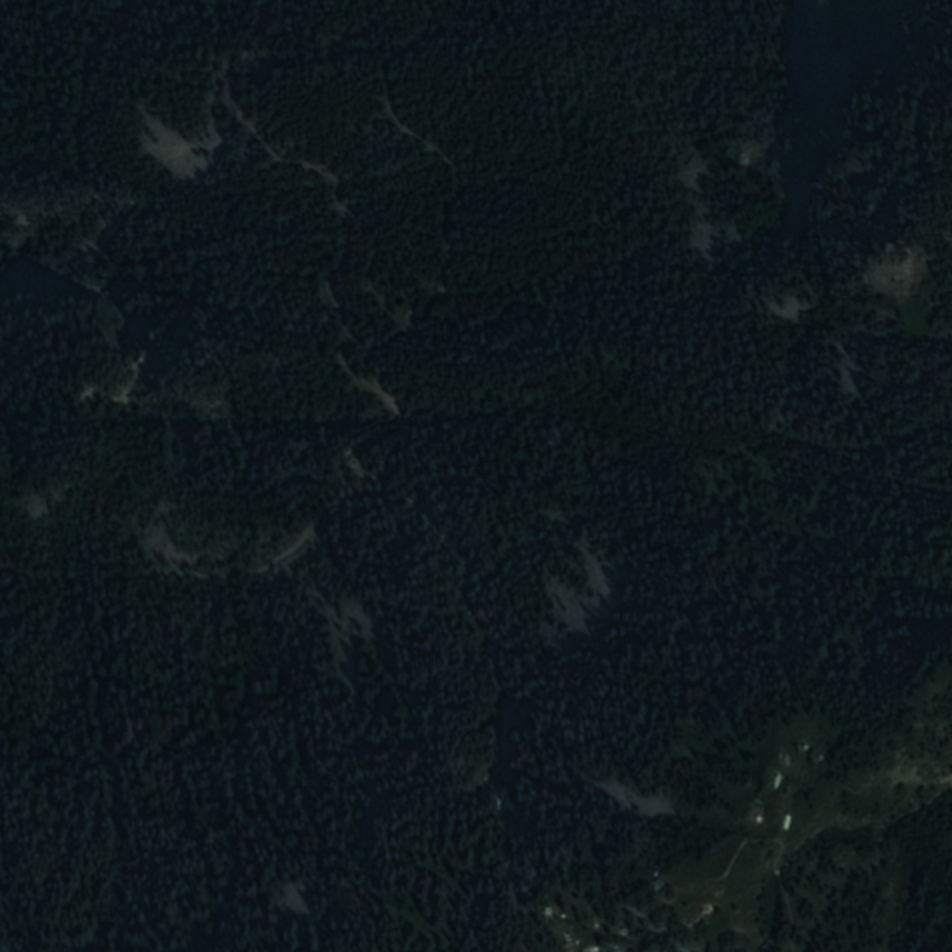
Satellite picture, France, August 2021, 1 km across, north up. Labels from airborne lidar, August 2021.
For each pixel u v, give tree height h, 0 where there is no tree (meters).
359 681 22
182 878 25
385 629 16
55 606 24
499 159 26
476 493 30
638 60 23
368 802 10
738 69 10
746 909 0
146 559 19
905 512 23
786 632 6
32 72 15
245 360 20
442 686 23
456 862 20
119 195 25
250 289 27
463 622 14
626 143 7
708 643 7
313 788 7
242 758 17
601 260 17
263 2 24
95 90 22
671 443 11
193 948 6
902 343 20
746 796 0
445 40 22
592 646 15
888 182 15
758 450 11
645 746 18
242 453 29
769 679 6
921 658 15
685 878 0
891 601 11
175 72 19
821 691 15
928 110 12
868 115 15
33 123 20
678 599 27
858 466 8
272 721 32
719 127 29
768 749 0
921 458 15
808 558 9
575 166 24
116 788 9
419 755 24
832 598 24
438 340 20
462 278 27
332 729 31
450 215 19
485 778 0
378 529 22
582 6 18
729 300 21
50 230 16
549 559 12
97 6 17
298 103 20
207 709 19
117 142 18
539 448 18
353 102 15
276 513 14
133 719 11
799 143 11
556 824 19
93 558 10
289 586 15
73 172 9
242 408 29
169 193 24
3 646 22
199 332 31
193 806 23
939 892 6
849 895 13
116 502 17
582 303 23
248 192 28
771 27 14
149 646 20
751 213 12
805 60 9
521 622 7
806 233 11
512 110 13
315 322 20
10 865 8
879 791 0
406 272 23
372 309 26
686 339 29
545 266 24
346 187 16
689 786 12
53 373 31
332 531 26
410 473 27
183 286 36
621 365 9
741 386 24
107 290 6
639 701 12
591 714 27
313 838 25
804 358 19
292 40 24
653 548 9
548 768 26
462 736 30
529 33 21
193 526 9
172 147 0
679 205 17
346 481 6
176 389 24
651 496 26
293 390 29
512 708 25
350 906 9
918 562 31
